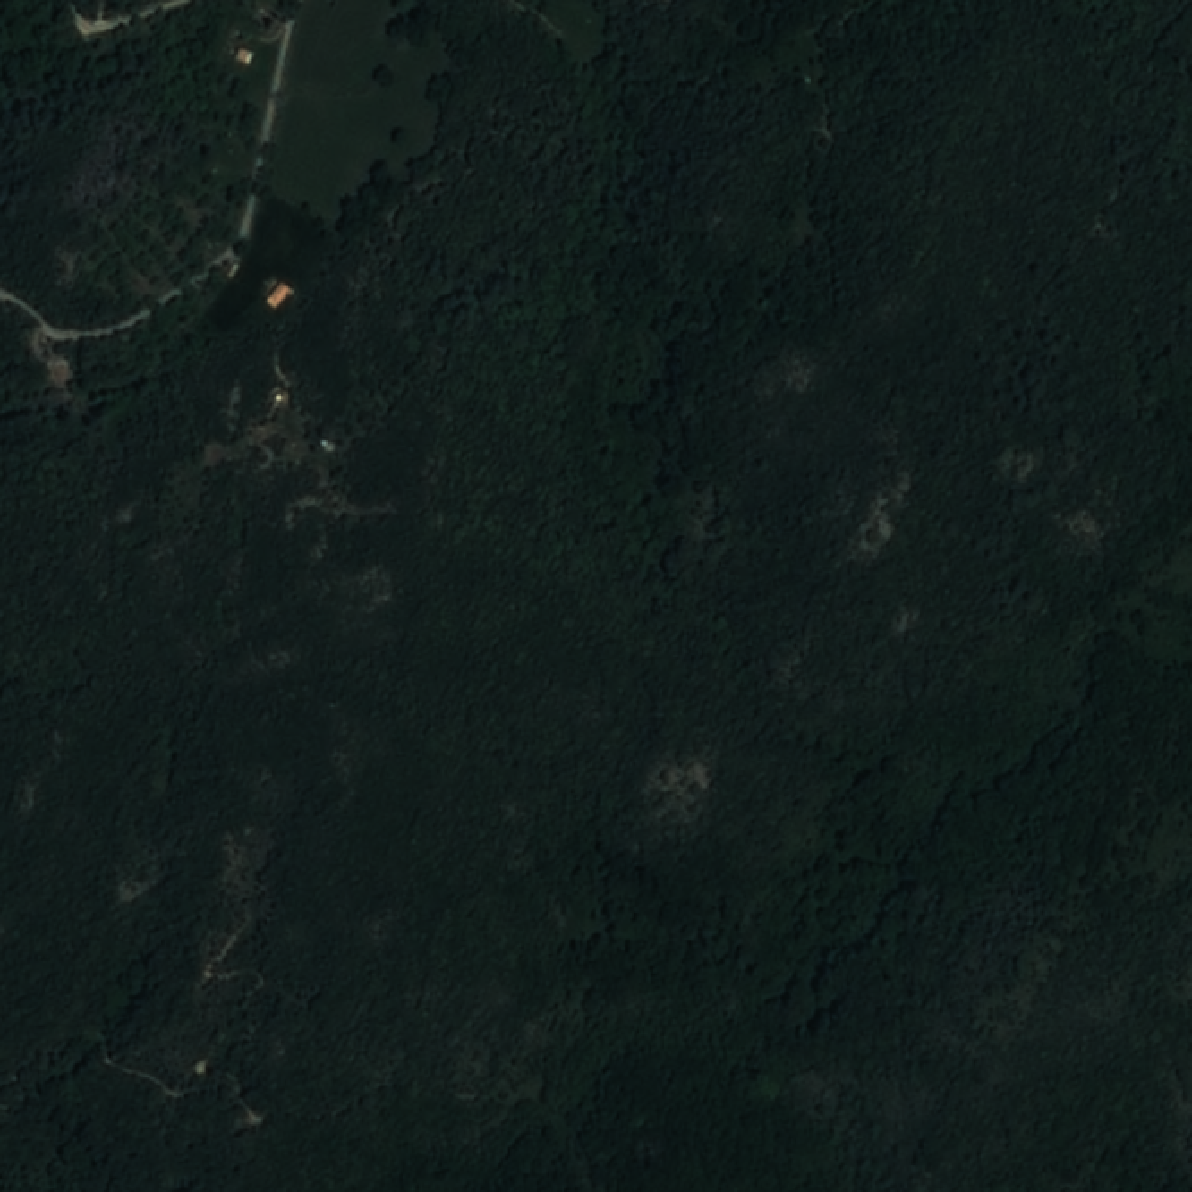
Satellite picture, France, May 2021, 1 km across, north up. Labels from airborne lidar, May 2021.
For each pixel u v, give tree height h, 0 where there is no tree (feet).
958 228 22
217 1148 58
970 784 21
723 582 48
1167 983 31
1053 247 32
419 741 26
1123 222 32
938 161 29
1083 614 40
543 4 52
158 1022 29
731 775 35
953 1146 46
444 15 33
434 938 33
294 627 20
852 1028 71
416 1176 52
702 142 23
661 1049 37
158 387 21
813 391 21
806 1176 75
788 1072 30
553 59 49
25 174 23
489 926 39
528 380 45
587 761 30
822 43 36
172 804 30
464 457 33
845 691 25
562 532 49
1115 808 29
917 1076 18
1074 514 23
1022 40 42
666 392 52
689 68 62
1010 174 40
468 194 39
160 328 41
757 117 23
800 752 53
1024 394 31
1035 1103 32
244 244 57
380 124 0
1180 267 26
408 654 25
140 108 53
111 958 30
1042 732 21
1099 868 28
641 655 44
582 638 28
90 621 26
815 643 31
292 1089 34
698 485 35
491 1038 21
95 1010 26
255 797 26
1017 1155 31
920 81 35
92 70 51
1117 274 30
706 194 32
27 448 41
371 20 0
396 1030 24
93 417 53
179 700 38
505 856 31
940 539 33
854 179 42
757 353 32
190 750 25
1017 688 25
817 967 22
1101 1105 44
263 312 0
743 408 29
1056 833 41
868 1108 31
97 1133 67
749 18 48
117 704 28
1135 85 39
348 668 31
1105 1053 21
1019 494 69
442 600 22
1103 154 34
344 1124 32
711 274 62
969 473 42
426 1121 31
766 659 29
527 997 33
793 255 30
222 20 49
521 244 56
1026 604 41
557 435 37
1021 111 34
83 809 26
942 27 33
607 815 23
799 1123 59
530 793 46
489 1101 25
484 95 45
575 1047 31
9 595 27
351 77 0
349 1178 42
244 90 60
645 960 34
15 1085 33
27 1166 47
